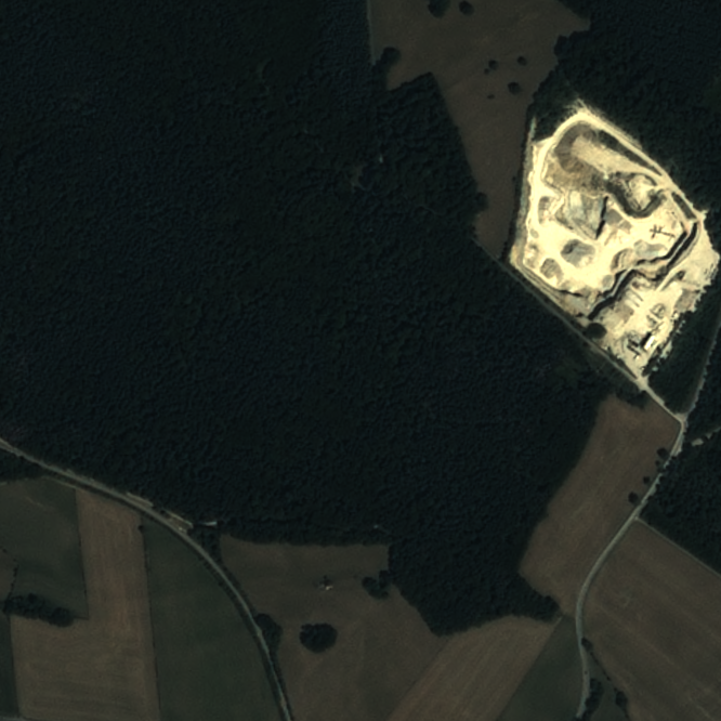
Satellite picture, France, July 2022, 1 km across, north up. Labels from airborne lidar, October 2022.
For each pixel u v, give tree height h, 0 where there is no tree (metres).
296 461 12
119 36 21
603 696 8
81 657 0
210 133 16
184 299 25
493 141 0
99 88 23
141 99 23
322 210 20
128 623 0
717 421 19
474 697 0
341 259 19
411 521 22
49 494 0
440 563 24
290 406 20
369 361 21
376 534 17
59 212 27
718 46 18
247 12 21
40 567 0
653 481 11
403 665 0
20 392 29
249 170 17
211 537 8
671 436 0
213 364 27
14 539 0
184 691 0
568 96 9
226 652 0
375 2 0
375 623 0
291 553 0
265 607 0
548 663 0
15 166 14
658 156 11
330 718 0
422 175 26
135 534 0
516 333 21
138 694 0
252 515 19
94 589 0
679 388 11
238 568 0
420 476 23
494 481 25
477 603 20
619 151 0
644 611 0
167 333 24
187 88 20
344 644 0
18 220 27
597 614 0
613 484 0
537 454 22
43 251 25
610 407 0
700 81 21
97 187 23
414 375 25
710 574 0
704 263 0
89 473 16
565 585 0
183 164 27
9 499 0
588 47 26
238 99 16
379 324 25
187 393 21
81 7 19
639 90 25
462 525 28
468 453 23
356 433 19
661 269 0
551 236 0
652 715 0
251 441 15
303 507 24
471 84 0
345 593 0
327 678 0
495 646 0
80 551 0
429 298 26
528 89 0
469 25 0
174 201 21
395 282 24
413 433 15
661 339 0
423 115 21
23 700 0
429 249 19
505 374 27
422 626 0
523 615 14
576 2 20
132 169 28
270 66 8
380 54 0
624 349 0
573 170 0
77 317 27
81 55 24
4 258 28
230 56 24
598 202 0
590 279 0
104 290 29
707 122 27
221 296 20
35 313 23
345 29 24
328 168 10
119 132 27
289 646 0
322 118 16
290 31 12
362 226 32
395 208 25
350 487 17
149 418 21
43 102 30
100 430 29
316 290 23
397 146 24
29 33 22
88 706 0
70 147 21
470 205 13
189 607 0
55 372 25
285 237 18
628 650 0
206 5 23
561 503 0
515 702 0
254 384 27
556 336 21
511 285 14
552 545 0
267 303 25
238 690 0
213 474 15
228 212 24
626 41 18
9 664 0
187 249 30
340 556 0
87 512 0
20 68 22
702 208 10
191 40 24
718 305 9
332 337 26
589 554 0
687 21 19
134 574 0
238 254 20
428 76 7
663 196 0
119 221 29
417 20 0
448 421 22
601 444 0
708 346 14
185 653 0
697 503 14
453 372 22
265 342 27
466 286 22
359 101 23
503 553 16
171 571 0
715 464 14
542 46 0
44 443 23
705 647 0
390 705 0
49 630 0
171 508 13
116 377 24
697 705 0
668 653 0
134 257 23
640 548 0
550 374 29
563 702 0
